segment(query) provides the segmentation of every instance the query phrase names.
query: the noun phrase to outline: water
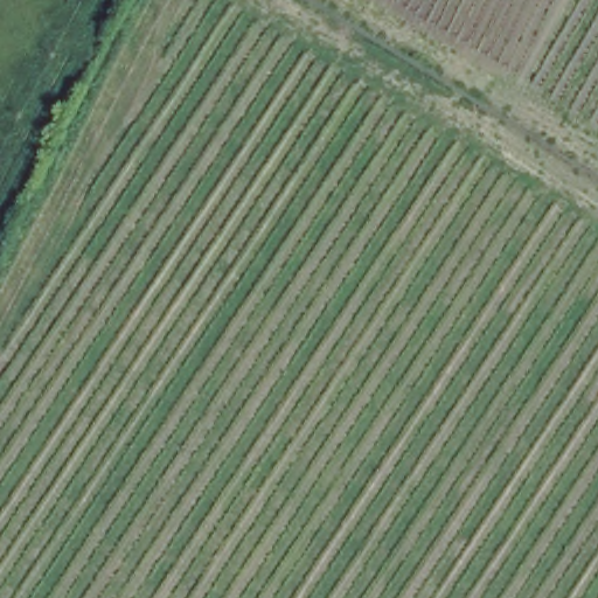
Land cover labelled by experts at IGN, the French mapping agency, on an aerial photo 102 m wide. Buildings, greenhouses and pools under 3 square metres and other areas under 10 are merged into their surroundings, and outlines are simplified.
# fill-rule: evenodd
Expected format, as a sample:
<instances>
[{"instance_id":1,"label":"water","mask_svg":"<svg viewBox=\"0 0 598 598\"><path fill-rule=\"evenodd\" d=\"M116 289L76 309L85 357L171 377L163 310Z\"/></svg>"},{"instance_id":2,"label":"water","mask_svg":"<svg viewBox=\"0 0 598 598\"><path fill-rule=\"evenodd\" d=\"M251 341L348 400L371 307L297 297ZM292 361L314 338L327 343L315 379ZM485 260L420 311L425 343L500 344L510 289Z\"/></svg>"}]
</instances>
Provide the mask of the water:
<instances>
[{"instance_id":1,"label":"water","mask_svg":"<svg viewBox=\"0 0 598 598\"><path fill-rule=\"evenodd\" d=\"M322 12L327 19L334 19L343 30L355 33L390 51L395 58L411 65L420 75L444 84L453 96L470 103L472 110L481 110L498 124L530 140L544 154L558 159L568 168L579 171L586 180L598 185L598 171L570 157L561 147L547 142L537 131L530 131L509 114L479 100L474 93L460 89L460 79L423 65L418 58L406 54L406 44L388 40L383 30L374 30L369 26L362 28L332 7Z\"/></svg>"}]
</instances>

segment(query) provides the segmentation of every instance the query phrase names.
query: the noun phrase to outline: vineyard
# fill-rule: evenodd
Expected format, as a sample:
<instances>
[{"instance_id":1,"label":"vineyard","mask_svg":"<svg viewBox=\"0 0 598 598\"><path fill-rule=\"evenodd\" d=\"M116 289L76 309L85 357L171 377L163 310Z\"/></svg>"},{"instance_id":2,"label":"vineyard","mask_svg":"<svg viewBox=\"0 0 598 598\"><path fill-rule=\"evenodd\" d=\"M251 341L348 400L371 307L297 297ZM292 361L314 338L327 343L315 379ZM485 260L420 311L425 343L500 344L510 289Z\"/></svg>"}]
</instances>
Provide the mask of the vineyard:
<instances>
[{"instance_id":1,"label":"vineyard","mask_svg":"<svg viewBox=\"0 0 598 598\"><path fill-rule=\"evenodd\" d=\"M119 135L105 166L96 173L96 180L84 194L75 224L54 252L51 266L42 269L37 283L33 283L19 299L12 320L7 320L0 327L0 598L598 598L598 215L593 206L577 206L570 192L556 192L547 187L542 180L509 166L498 147L479 142L470 128L451 128L434 105L430 105L430 110L425 112L423 98L430 93L427 89L411 93L397 91L381 77L367 72L371 58L367 54L348 56L336 47L322 44L318 40L318 33L306 30L299 21L290 19L287 14L262 14L255 0L192 0L189 9L166 33L161 56L166 56L166 51L173 49L173 44L178 42L180 30L187 23L187 16L199 21L196 30L189 35L175 63L164 72L161 82L152 91L150 100L142 105L135 121Z\"/></svg>"},{"instance_id":2,"label":"vineyard","mask_svg":"<svg viewBox=\"0 0 598 598\"><path fill-rule=\"evenodd\" d=\"M474 63L481 63L500 75L528 77L533 89L542 89L542 98L558 98L556 107L551 110L556 117L565 112L582 112L584 121L591 119L591 126L598 126L598 0L374 0L388 12L402 16L416 30L425 30L434 40L467 54Z\"/></svg>"}]
</instances>

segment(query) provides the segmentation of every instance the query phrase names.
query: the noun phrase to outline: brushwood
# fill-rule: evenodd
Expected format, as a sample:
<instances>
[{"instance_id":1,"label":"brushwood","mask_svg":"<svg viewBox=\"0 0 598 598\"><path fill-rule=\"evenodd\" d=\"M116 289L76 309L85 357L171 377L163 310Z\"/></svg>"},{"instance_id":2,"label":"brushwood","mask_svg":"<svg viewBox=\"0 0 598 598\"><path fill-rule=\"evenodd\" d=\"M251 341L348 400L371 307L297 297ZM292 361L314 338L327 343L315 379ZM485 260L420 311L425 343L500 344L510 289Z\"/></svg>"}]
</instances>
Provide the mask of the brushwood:
<instances>
[{"instance_id":1,"label":"brushwood","mask_svg":"<svg viewBox=\"0 0 598 598\"><path fill-rule=\"evenodd\" d=\"M16 252L30 234L35 220L40 217L68 157L72 154L79 133L86 124L86 117L93 110L93 103L84 98L89 86L79 79L63 103L54 105L51 126L42 128L42 152L37 157L37 166L0 231L0 287L5 285L9 266L14 264Z\"/></svg>"},{"instance_id":2,"label":"brushwood","mask_svg":"<svg viewBox=\"0 0 598 598\"><path fill-rule=\"evenodd\" d=\"M126 44L147 0L119 0L100 30L100 37L105 42L117 42L119 49Z\"/></svg>"}]
</instances>

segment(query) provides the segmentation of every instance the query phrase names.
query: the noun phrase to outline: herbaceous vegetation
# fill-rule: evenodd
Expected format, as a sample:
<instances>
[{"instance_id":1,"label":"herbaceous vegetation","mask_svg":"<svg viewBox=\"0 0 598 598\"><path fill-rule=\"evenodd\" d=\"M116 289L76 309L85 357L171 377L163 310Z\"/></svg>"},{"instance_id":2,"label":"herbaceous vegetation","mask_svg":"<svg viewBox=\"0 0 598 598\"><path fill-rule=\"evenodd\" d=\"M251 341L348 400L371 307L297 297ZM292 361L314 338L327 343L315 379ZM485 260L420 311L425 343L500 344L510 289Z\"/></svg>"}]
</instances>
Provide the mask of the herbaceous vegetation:
<instances>
[{"instance_id":1,"label":"herbaceous vegetation","mask_svg":"<svg viewBox=\"0 0 598 598\"><path fill-rule=\"evenodd\" d=\"M100 37L100 30L119 0L0 0L0 231L37 166L37 157L42 152L42 128L51 126L54 105L63 103L79 79L89 86L84 98L93 103L93 110L86 117L86 124L79 133L72 154L68 157L40 217L35 220L30 234L16 252L14 264L9 266L5 285L0 287L0 327L7 320L12 320L19 299L33 283L37 283L42 269L51 266L54 252L75 224L84 194L96 180L96 173L105 166L119 135L135 121L142 105L150 100L152 91L161 82L164 72L175 63L189 35L196 30L199 21L187 16L187 23L180 30L178 42L173 44L173 49L166 51L166 56L161 56L166 33L189 9L192 0L147 0L126 44L119 49L117 42L105 42Z\"/></svg>"},{"instance_id":2,"label":"herbaceous vegetation","mask_svg":"<svg viewBox=\"0 0 598 598\"><path fill-rule=\"evenodd\" d=\"M383 30L388 40L406 44L406 54L418 58L423 65L460 79L460 89L474 93L479 100L509 114L530 131L537 131L547 142L561 147L570 157L598 171L598 126L591 126L591 119L584 121L582 112L565 112L556 117L551 110L556 107L558 98L542 98L542 89L533 89L528 77L500 75L481 63L474 63L467 54L434 40L425 30L416 30L402 16L388 12L374 0L255 0L262 14L287 14L290 19L299 21L306 30L318 33L318 40L322 44L336 47L348 56L367 54L371 58L367 72L381 77L397 91L411 93L427 89L430 93L423 98L425 112L430 110L430 105L434 105L451 128L470 128L479 142L498 147L509 166L542 180L547 187L556 192L570 192L577 206L593 206L598 215L598 185L586 180L579 171L568 168L558 159L544 154L530 140L498 124L481 110L472 110L470 103L453 96L444 84L420 75L411 65L395 58L390 51L355 33L343 30L334 19L327 19L322 12L332 7L362 28L369 26L374 30Z\"/></svg>"}]
</instances>

